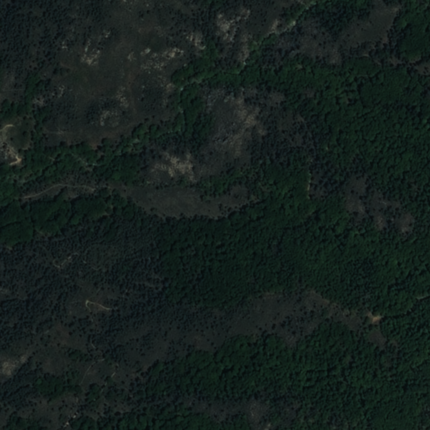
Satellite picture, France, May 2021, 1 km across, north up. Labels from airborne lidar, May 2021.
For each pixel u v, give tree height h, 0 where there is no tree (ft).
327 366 28
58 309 44
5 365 0
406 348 35
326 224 100
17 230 88
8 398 53
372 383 64
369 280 31
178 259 52
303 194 53
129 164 84
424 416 35
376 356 42
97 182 32
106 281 31
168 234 51
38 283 41
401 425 44
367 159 49
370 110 47
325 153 34
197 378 79
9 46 17
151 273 29
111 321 31
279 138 70
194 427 101
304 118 35
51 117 31
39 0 59
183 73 60
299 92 41
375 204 0
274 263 52
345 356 49
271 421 31
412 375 27
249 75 65
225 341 27
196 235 62
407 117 51
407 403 47
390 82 97
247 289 45
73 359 24
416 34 69
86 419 42
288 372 55
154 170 0
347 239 107
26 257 39
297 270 44
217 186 61
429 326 65
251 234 65
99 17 30
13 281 42
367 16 42
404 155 84
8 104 66
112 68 0
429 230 31
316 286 29
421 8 44
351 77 71
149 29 0
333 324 25
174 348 25
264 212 83
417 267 95
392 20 0
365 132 78
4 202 73
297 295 42
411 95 78
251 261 56
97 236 54
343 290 49
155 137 53
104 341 37
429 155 55
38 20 53
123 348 47
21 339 41
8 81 0
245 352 65
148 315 24
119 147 49
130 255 31
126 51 0
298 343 35
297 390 52
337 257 70
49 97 37
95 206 83
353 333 48
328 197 37
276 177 64
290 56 52
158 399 47
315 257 24
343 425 32
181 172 0
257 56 46
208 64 59
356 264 32
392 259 110
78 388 38
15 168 58
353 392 64
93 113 31
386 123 73
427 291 71
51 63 29
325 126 52
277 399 22
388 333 36
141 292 57
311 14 54
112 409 38
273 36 43
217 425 46
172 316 24
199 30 38
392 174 69
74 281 51
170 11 20
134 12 0
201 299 39
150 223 52
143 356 44
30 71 53
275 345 73
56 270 22
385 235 58
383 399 53
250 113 0
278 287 48
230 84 27
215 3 61
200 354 48
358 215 57
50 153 43
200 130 58
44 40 43
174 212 0
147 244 24
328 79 74
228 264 79
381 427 39
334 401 63
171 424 78
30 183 40
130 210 61
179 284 64
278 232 44
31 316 25
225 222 72
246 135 0
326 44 33
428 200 23
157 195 0
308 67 74
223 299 70
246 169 31
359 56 75
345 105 84
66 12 38
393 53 80
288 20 52
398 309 62
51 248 45
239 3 32
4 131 0
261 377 59
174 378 50
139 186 29
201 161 20
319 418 45
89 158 68
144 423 77
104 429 79
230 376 74
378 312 65
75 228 60
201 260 65
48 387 44
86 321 37
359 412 49
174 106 34
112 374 0
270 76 81
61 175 42
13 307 54
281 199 55
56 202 80
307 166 56
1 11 46
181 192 0
